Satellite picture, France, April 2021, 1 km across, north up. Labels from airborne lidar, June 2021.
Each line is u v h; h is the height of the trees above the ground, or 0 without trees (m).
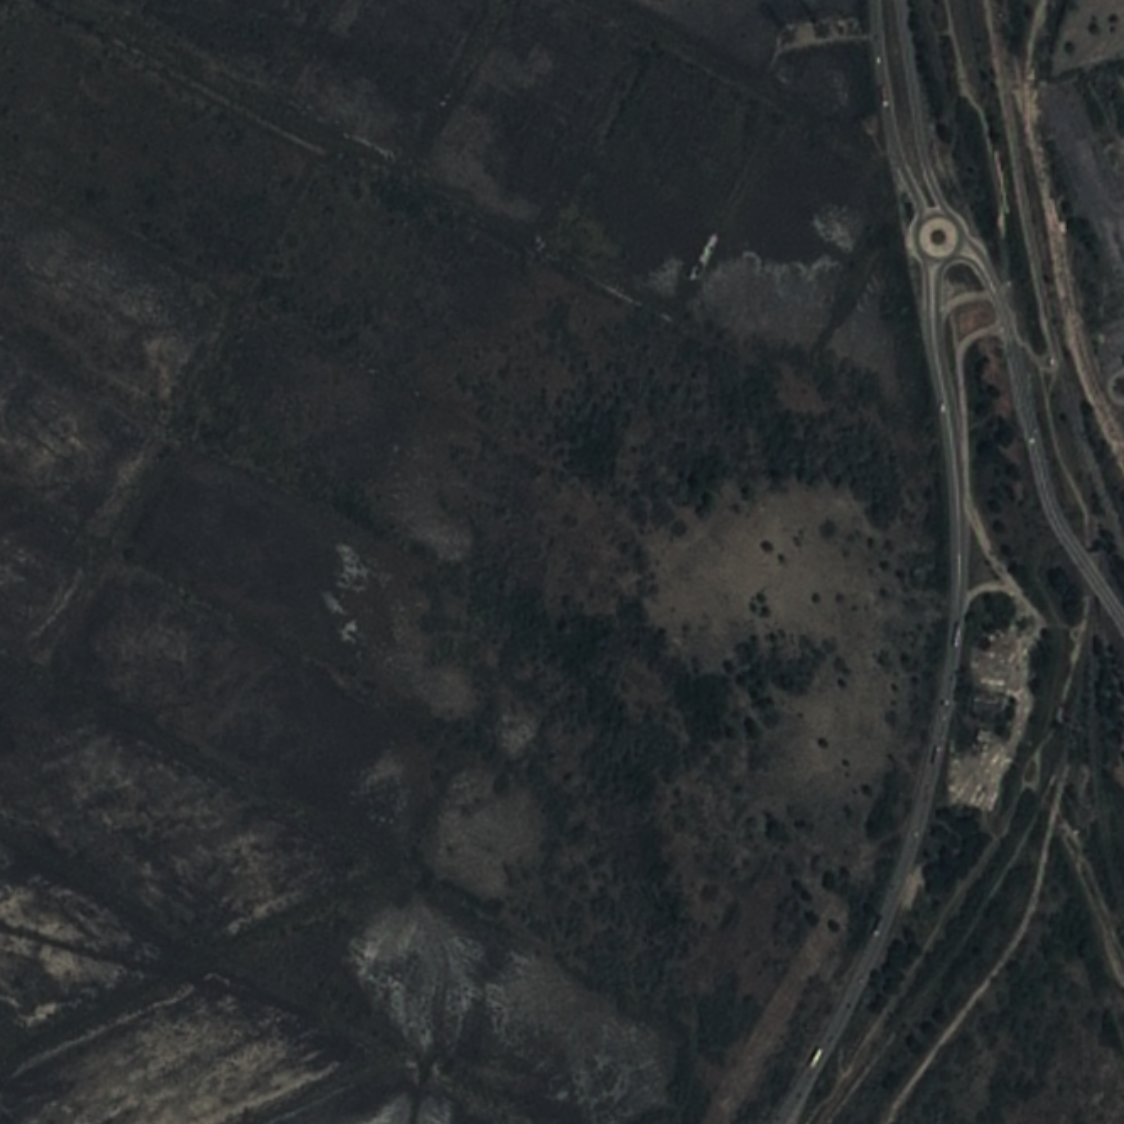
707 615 0
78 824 0
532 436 7
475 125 0
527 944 0
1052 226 0
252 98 0
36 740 0
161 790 0
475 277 0
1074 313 0
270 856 0
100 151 0
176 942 0
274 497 0
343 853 0
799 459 7
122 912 0
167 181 0
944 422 0
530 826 0
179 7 0
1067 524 0
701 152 0
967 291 0
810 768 0
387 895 0
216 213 0
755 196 0
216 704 0
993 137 10
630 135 0
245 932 0
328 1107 0
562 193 0
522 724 0
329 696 0
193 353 0
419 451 0
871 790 7
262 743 0
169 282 0
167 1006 0
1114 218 0
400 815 0
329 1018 0
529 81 0
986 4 0
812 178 0
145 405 0
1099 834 7
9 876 0
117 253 0
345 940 0
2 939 0
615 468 7
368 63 0
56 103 0
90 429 0
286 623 0
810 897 8
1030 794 7
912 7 8
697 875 0
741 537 0
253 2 0
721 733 8
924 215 0
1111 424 0
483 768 0
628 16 0
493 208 0
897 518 7
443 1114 0
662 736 7
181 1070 0
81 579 0
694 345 6
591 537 0
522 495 0
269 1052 0
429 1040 0
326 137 0
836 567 0
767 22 0
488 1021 0
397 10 0
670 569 0
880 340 0
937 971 6
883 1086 6
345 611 0
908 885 0
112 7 0
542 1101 0
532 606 6
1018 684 0
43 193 0
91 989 0
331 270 0
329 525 0
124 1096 0
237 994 0
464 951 0
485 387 6
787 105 0
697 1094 7
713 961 0
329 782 0
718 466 8
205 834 0
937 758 0
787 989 0
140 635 0
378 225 0
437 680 0
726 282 0
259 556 0
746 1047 0
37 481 0
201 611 0
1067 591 10
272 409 0
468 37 0
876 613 0
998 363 0
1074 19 0
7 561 0
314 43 0
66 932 0
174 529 0
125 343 0
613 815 0
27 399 0
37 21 0
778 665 7
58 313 0
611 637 10
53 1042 0
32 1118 0
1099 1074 0
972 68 0
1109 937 0
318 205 0
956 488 0
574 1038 0
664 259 0
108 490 0
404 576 0
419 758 0
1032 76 0
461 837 0
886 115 0
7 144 0
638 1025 0
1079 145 0
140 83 0
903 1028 5
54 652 0
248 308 0
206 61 0
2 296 0
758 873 0
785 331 0
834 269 0
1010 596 7
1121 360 0
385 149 0
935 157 0
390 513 0
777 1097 6
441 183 0
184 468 0
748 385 6
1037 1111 0
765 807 0
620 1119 0
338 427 0
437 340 0
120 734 0
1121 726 11
